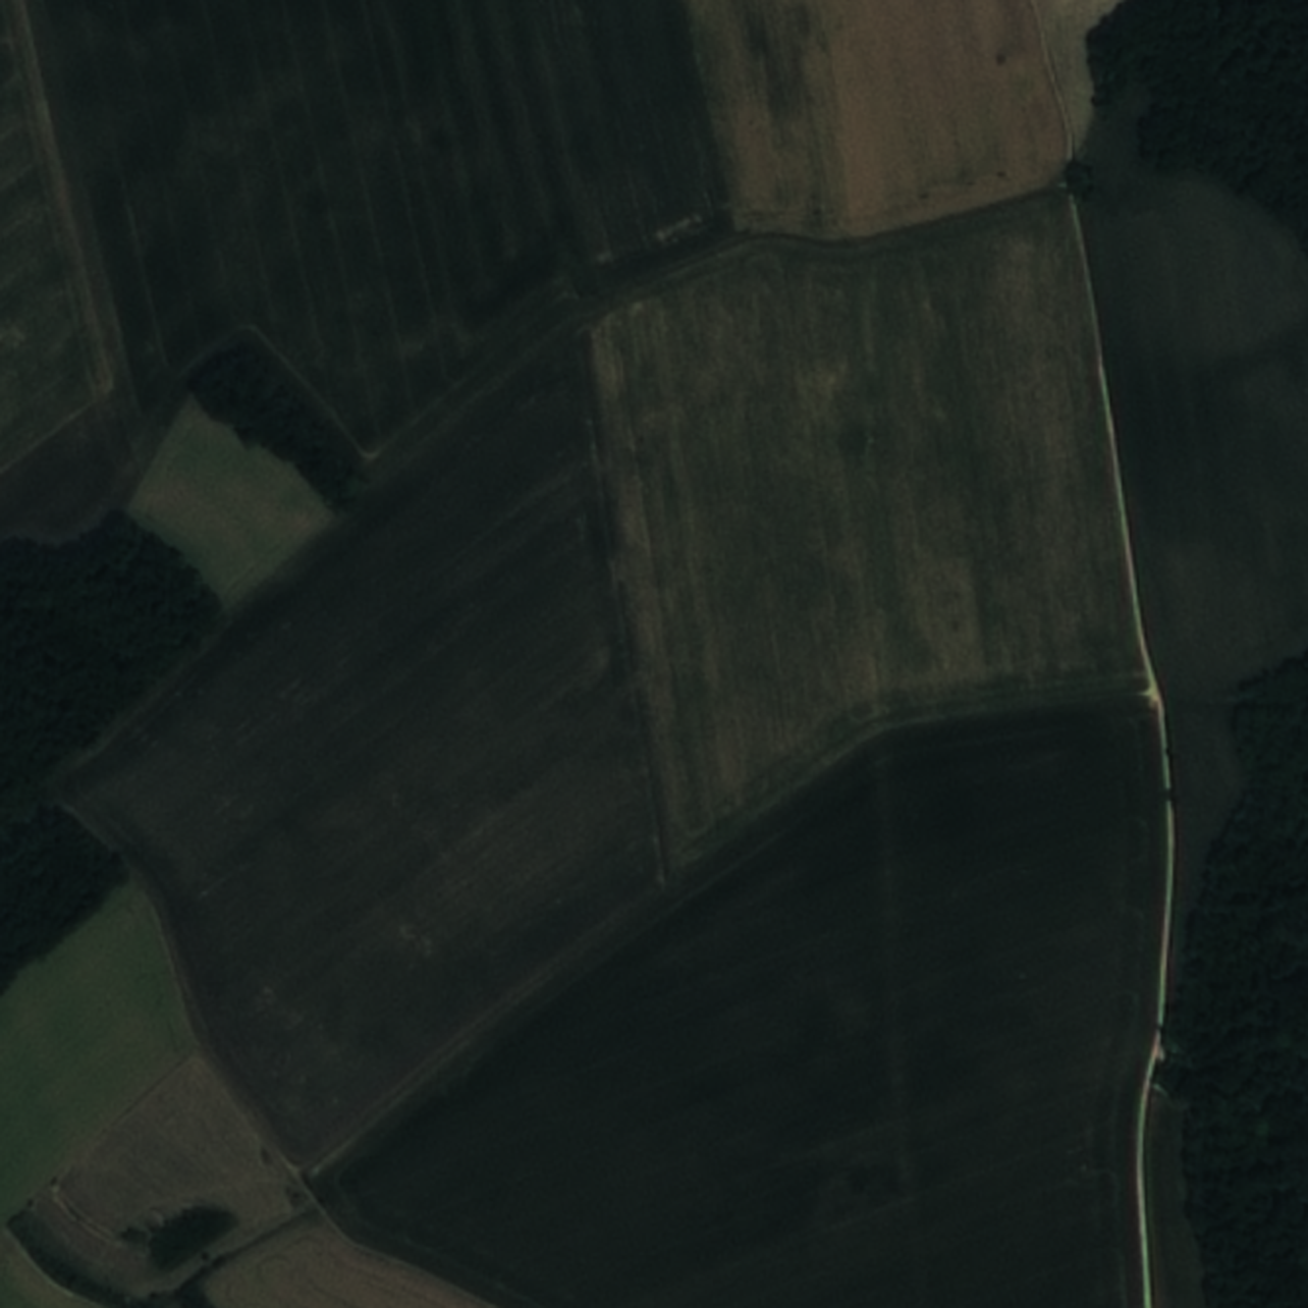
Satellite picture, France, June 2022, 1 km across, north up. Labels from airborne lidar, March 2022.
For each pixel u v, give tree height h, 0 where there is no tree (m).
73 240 0
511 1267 0
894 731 0
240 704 0
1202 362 0
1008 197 0
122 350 0
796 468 0
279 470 0
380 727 0
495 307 0
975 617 0
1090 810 0
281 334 0
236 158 0
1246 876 13
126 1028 0
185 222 0
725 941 0
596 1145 0
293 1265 0
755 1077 0
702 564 0
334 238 0
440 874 0
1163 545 0
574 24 0
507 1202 0
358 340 0
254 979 0
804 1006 0
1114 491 0
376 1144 0
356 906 0
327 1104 0
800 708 0
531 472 0
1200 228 0
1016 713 0
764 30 0
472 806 0
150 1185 0
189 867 0
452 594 0
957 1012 0
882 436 0
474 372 0
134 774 0
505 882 0
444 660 0
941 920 0
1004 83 0
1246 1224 9
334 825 0
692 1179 0
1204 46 21
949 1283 0
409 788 0
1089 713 0
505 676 0
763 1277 0
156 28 0
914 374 0
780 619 0
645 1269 0
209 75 0
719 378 0
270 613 0
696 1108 0
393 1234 0
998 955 0
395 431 0
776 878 0
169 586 20
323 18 0
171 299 0
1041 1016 0
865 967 0
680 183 0
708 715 0
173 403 0
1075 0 0
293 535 0
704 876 0
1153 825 0
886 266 0
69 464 0
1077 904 0
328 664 0
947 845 0
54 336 0
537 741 0
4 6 0
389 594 0
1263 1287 16
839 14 0
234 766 0
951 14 0
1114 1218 0
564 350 0
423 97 0
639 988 0
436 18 0
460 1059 0
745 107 0
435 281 0
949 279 0
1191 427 0
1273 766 13
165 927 0
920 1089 0
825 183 0
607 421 0
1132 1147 0
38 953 15
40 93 0
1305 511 0
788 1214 0
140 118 0
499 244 0
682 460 0
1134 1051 0
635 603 0
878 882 0
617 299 0
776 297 0
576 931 0
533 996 0
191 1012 0
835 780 0
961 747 0
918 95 0
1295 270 0
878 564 0
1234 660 0
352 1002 0
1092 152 0
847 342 0
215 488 0
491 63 0
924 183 0
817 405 0
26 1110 0
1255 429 0
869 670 0
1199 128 17
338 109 0
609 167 0
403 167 0
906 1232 0
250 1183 0
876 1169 0
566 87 0
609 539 0
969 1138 0
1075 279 0
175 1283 0
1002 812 0
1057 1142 0
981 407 0
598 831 0
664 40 0
